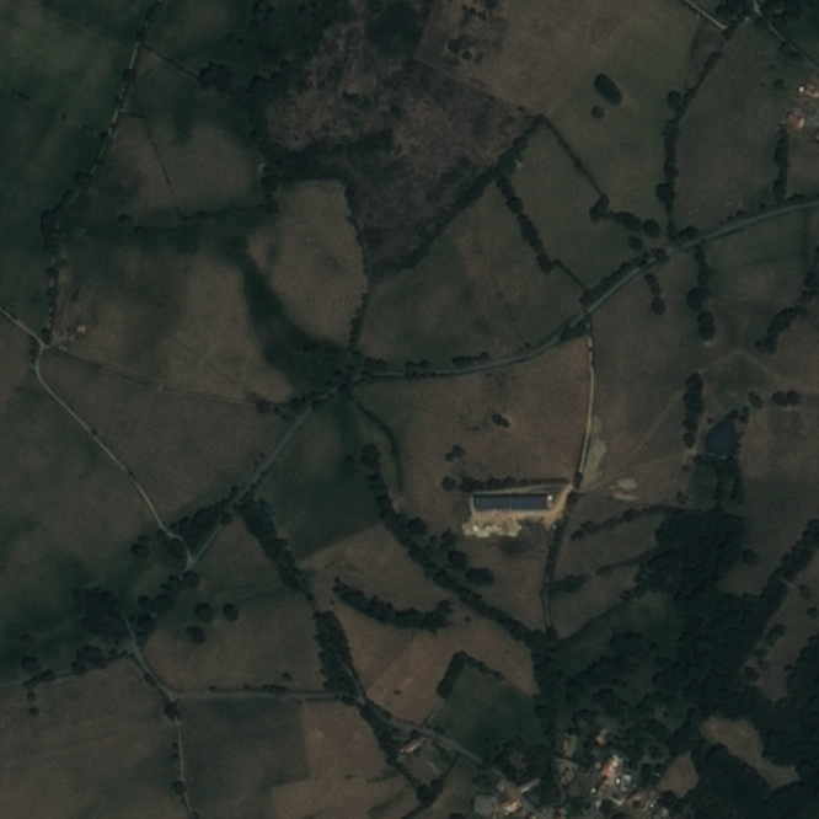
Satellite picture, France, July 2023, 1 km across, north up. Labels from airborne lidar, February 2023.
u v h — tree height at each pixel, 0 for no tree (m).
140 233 8
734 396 0
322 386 0
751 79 0
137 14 0
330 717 0
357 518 0
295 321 0
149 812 0
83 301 0
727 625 13
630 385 0
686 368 0
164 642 0
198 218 7
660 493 0
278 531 13
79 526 0
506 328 0
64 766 0
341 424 0
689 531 20
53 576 0
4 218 0
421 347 0
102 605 17
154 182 0
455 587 18
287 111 0
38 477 0
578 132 0
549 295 0
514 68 0
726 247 0
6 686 0
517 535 0
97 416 0
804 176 0
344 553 0
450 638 0
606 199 11
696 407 17
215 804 0
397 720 0
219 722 0
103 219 0
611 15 0
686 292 0
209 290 0
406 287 0
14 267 0
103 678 0
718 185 0
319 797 0
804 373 0
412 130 0
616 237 0
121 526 0
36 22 0
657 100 0
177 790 11
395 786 0
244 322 0
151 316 0
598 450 0
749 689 9
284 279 0
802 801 20
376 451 19
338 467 0
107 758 0
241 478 0
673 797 13
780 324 18
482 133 0
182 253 0
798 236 0
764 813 8
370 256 0
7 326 0
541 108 0
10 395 0
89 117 0
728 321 0
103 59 0
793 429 0
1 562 0
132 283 0
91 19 0
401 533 21
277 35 17
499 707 0
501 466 0
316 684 0
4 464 0
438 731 8
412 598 0
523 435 0
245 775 0
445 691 14
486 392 0
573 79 0
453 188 0
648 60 0
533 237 16
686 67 0
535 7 0
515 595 0
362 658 0
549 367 0
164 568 0
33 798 0
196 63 0
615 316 0
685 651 10
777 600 10
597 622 6
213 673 0
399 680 0
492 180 13
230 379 0
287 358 0
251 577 0
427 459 0
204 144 0
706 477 0
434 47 0
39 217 0
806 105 0
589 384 0
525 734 0
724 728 0
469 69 0
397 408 0
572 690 22
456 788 0
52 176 0
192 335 0
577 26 0
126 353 0
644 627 0
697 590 9
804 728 11
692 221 0
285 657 0
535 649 20
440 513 0
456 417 0
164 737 0
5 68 0
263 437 0
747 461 0
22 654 0
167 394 0
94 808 0
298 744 0
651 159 0
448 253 0
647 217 0
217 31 0
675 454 0
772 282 0
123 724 0
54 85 0
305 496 0
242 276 0
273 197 7
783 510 0
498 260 0
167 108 0
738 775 7
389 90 0
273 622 0
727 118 0
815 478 0
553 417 0
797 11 19
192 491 0
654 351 0
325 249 0
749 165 0
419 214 0
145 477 0
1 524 0
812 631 0
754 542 0
